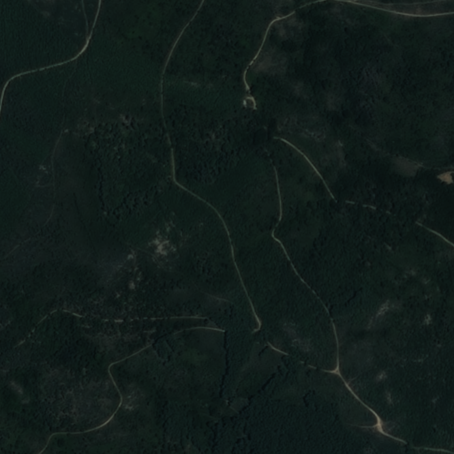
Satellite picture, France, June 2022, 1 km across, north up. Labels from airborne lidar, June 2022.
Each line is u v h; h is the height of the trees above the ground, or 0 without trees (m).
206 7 8
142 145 15
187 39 0
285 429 26
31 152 7
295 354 12
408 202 7
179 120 15
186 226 8
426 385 7
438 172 9
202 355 8
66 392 10
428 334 8
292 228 8
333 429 25
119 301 10
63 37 7
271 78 7
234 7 8
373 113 11
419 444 9
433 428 9
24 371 10
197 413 12
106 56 10
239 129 17
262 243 8
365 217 7
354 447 27
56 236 7
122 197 18
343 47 9
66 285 11
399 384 10
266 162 9
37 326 8
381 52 9
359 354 0
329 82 14
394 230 15
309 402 22
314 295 6
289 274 9
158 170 21
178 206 8
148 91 11
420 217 9
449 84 7
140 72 11
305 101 10
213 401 7
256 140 22
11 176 7
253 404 24
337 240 6
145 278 7
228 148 16
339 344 0
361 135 8
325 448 26
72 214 0
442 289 10
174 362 28
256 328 18
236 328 21
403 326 8
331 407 21
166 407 20
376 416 0
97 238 0
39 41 6
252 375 8
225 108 9
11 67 6
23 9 7
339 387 0
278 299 9
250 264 7
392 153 15
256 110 9
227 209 6
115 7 0
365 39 8
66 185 0
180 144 16
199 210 10
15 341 7
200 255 15
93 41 8
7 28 7
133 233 8
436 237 7
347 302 6
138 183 18
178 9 7
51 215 0
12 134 6
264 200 8
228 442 26
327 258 7
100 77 9
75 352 19
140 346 8
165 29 6
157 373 6
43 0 0
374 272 6
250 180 8
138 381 9
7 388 14
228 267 17
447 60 18
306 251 7
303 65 10
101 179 14
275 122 19
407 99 8
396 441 0
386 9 0
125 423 5
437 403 8
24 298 8
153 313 10
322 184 9
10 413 7
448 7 0
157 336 7
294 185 0
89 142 14
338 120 16
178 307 9
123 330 14
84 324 16
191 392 7
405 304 7
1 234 6
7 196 9
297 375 25
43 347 10
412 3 0
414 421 8
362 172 8
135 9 0
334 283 7
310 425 26
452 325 8
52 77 6
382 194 10
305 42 8
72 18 0
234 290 6
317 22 11
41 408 17
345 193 10
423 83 8
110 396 6
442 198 6
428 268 7
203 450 26
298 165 8
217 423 6
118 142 18
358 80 16
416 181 11
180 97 11
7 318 14
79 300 8
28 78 6
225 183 8
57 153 0
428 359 7
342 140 6
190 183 10
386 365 9
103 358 13
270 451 25
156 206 8
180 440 13
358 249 17
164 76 10
